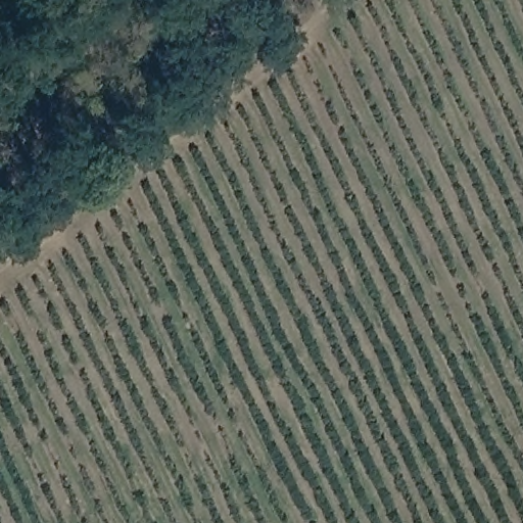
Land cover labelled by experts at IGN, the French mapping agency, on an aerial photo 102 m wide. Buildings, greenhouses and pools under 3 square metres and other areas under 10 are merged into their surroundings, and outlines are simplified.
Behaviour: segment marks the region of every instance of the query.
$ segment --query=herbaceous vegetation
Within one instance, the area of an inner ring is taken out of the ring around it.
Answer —
[[[231,22],[227,18],[208,18],[206,29],[202,33],[202,43],[206,47],[235,43],[237,37],[231,33]]]
[[[462,8],[470,16],[476,39],[496,76],[503,96],[507,98],[523,133],[523,104],[519,102],[513,86],[509,84],[507,69],[488,39],[484,22],[474,6],[474,0],[460,0]]]
[[[402,523],[413,523],[407,503],[394,484],[394,478],[382,458],[378,443],[370,433],[370,427],[353,392],[349,390],[349,382],[331,351],[327,335],[319,325],[311,302],[300,290],[298,280],[292,274],[292,268],[286,262],[270,229],[264,208],[257,202],[253,186],[249,182],[249,174],[241,165],[235,145],[229,139],[225,127],[231,127],[233,133],[237,133],[237,137],[241,139],[255,168],[270,208],[276,217],[276,223],[282,231],[282,237],[292,249],[306,278],[306,284],[321,300],[321,306],[335,331],[337,343],[345,360],[349,362],[362,386],[362,392],[368,398],[380,433],[384,435],[396,460],[396,466],[402,474],[402,480],[407,482],[407,488],[417,505],[423,523],[433,523],[425,507],[425,501],[421,498],[421,492],[405,464],[398,443],[394,441],[382,417],[374,392],[368,386],[366,376],[347,345],[347,339],[341,331],[335,313],[331,311],[331,304],[321,288],[321,282],[313,266],[308,264],[302,245],[294,235],[292,225],[284,215],[284,206],[278,198],[272,178],[264,170],[264,163],[247,133],[247,127],[237,112],[243,106],[251,116],[253,129],[264,143],[268,159],[286,190],[290,206],[298,217],[319,257],[319,264],[327,274],[329,284],[335,290],[337,302],[341,304],[360,341],[360,347],[374,370],[378,386],[388,400],[388,407],[411,447],[419,472],[425,484],[429,486],[439,509],[439,515],[445,523],[456,523],[451,511],[445,505],[439,484],[435,482],[427,462],[421,456],[421,449],[409,429],[407,417],[392,392],[392,386],[386,374],[382,372],[380,360],[360,319],[355,317],[351,304],[345,298],[343,286],[325,251],[315,221],[304,208],[300,192],[288,176],[278,145],[272,141],[268,127],[253,102],[253,98],[259,96],[266,102],[274,127],[286,145],[292,165],[298,170],[308,190],[313,206],[319,208],[325,229],[351,282],[353,294],[366,311],[370,323],[374,325],[374,331],[392,362],[400,388],[423,429],[429,447],[435,451],[447,486],[456,496],[458,507],[468,523],[476,523],[447,464],[447,456],[435,431],[431,429],[429,419],[421,409],[421,402],[415,390],[411,388],[411,380],[394,351],[394,345],[386,335],[382,321],[360,280],[360,274],[349,257],[347,245],[343,243],[337,227],[333,225],[327,212],[327,206],[315,186],[304,153],[296,137],[290,133],[288,123],[284,121],[282,110],[270,90],[276,84],[280,84],[298,127],[311,143],[311,149],[317,157],[317,163],[333,196],[333,202],[364,257],[364,264],[380,292],[382,304],[388,311],[392,325],[396,327],[400,339],[407,345],[417,376],[425,386],[425,392],[433,409],[437,411],[443,429],[451,437],[458,462],[488,523],[501,523],[488,501],[486,490],[474,474],[474,466],[435,392],[423,358],[409,333],[407,321],[388,290],[388,284],[380,274],[380,268],[360,231],[360,225],[349,204],[345,202],[343,190],[331,170],[331,163],[321,147],[321,141],[315,135],[306,114],[302,112],[286,74],[282,74],[276,82],[276,78],[268,76],[266,65],[255,63],[245,74],[243,88],[231,94],[229,106],[223,104],[223,114],[215,116],[215,123],[210,121],[204,127],[188,127],[182,135],[172,135],[170,143],[163,149],[163,155],[159,155],[157,161],[135,163],[135,172],[127,182],[125,190],[104,198],[96,212],[76,210],[63,231],[55,231],[53,235],[41,241],[35,259],[27,264],[14,264],[12,257],[6,257],[4,262],[0,259],[0,523],[235,523],[225,503],[221,484],[229,486],[233,503],[237,505],[245,523],[257,523],[255,515],[247,509],[245,496],[239,488],[239,480],[229,466],[229,456],[235,456],[237,464],[245,472],[251,494],[257,501],[266,523],[306,523],[298,507],[294,505],[286,484],[280,480],[276,466],[262,443],[262,435],[249,413],[249,407],[231,382],[227,364],[217,353],[212,333],[208,331],[204,317],[200,315],[192,294],[186,288],[184,276],[176,266],[161,225],[157,223],[157,217],[153,215],[149,200],[141,188],[143,178],[149,180],[178,239],[178,245],[182,247],[186,262],[190,264],[196,282],[200,284],[202,294],[208,300],[208,306],[219,323],[227,347],[317,523],[327,523],[321,507],[315,501],[313,488],[300,474],[300,468],[296,466],[292,451],[286,445],[286,439],[280,433],[257,388],[257,382],[243,360],[243,353],[229,327],[229,321],[190,243],[182,233],[182,227],[170,204],[168,192],[163,190],[155,174],[161,168],[165,170],[182,208],[188,212],[190,225],[196,231],[202,249],[233,304],[239,325],[247,335],[249,347],[253,351],[257,366],[264,372],[272,398],[278,405],[280,415],[292,429],[302,456],[308,460],[313,472],[317,474],[337,523],[347,523],[339,507],[339,498],[333,492],[319,464],[319,458],[315,456],[311,441],[304,435],[302,423],[296,417],[294,407],[284,388],[280,386],[272,362],[259,343],[259,337],[245,313],[239,292],[235,290],[227,270],[221,264],[210,233],[192,196],[184,188],[182,178],[174,168],[176,153],[182,157],[186,172],[200,200],[204,202],[206,212],[212,217],[219,235],[225,247],[229,249],[229,255],[266,329],[268,341],[280,355],[288,382],[298,390],[304,402],[304,411],[313,419],[315,431],[319,433],[321,443],[327,449],[331,466],[360,523],[372,523],[353,494],[349,478],[341,466],[339,454],[333,447],[329,433],[325,431],[323,419],[317,407],[313,405],[308,390],[292,370],[286,351],[282,349],[272,331],[266,311],[262,308],[257,292],[241,262],[237,245],[233,243],[227,231],[227,225],[208,192],[206,182],[200,178],[198,168],[192,161],[188,149],[190,143],[198,145],[198,151],[202,153],[208,172],[219,186],[219,192],[235,221],[235,227],[241,239],[245,241],[247,253],[253,259],[259,282],[278,313],[280,325],[288,341],[292,343],[298,362],[306,370],[308,378],[315,382],[327,407],[327,413],[331,415],[331,421],[341,437],[341,443],[349,451],[358,478],[376,507],[380,523],[390,523],[382,498],[358,456],[349,429],[341,419],[339,407],[306,351],[300,331],[262,259],[259,247],[247,227],[247,221],[239,208],[233,188],[204,139],[204,131],[215,133],[219,147],[223,149],[229,165],[237,174],[241,190],[247,198],[247,204],[253,210],[266,245],[270,247],[276,266],[282,270],[282,276],[290,286],[290,292],[298,308],[304,313],[308,321],[311,333],[319,343],[323,362],[329,368],[331,376],[335,378],[343,398],[347,400],[353,413],[360,435],[366,447],[370,449],[376,468],[382,474],[382,480],[392,496],[392,503]],[[110,243],[127,270],[133,288],[133,298],[139,300],[139,308],[131,306],[118,272],[110,264],[104,245],[98,239],[98,233],[94,229],[96,221],[102,225],[102,231],[110,237]],[[147,225],[155,241],[155,247],[163,259],[165,272],[170,280],[176,284],[180,296],[178,300],[170,298],[170,290],[165,282],[161,282],[151,251],[147,249],[137,229],[139,223]],[[157,288],[157,302],[153,302],[147,286],[143,284],[139,270],[135,268],[135,262],[123,243],[123,233],[129,233],[149,280]],[[149,384],[143,378],[135,358],[131,355],[125,343],[110,302],[106,300],[104,290],[94,278],[90,262],[86,259],[86,253],[78,243],[78,239],[84,235],[110,282],[112,296],[118,300],[123,317],[129,321],[137,337],[147,368],[155,378],[155,386],[159,388],[159,394],[165,398],[176,419],[176,425],[180,427],[180,433],[184,437],[182,447],[176,445],[176,437],[170,431],[165,419],[161,417],[161,411],[151,396]],[[76,266],[84,274],[86,284],[90,288],[90,296],[96,300],[102,317],[106,319],[106,325],[98,327],[94,323],[84,292],[78,288],[78,282],[72,278],[63,264],[61,249],[67,249],[72,253]],[[74,327],[72,315],[65,308],[65,302],[51,280],[47,259],[55,266],[59,278],[63,280],[63,286],[69,298],[74,300],[82,317],[82,323],[90,333],[94,347],[114,388],[121,394],[121,400],[110,400],[104,382],[96,372],[80,339],[78,329]],[[47,304],[43,302],[31,280],[33,274],[39,276],[59,313],[63,325],[57,329],[51,325]],[[22,284],[31,300],[31,306],[35,308],[33,317],[27,317],[20,306],[20,300],[16,296],[18,284]],[[168,384],[168,378],[157,362],[157,355],[141,329],[141,317],[145,315],[149,317],[157,341],[163,347],[168,366],[174,370],[186,398],[190,400],[192,411],[198,417],[192,423],[188,421],[188,415],[184,413],[176,392]],[[178,362],[172,339],[163,327],[163,315],[170,315],[172,323],[176,325],[184,351],[196,368],[198,380],[202,382],[217,411],[215,419],[206,415],[204,405],[200,402],[198,394],[190,384],[190,378]],[[227,402],[221,402],[215,384],[208,378],[204,364],[192,343],[190,329],[198,331],[200,341],[212,362],[212,368],[217,370],[221,384],[227,392]],[[104,333],[110,333],[118,349],[118,355],[139,390],[133,396],[129,394],[125,382],[116,374],[112,358],[104,345]],[[67,351],[65,351],[65,347],[63,347],[63,343],[61,343],[61,335],[69,335],[69,339],[72,339],[72,345],[74,345],[74,349],[76,349],[76,353],[78,353],[78,362],[76,362],[76,364],[74,364],[74,362],[69,362],[69,355],[67,355]]]
[[[92,131],[94,145],[106,145],[116,155],[125,153],[116,129],[121,127],[121,121],[127,116],[147,118],[153,114],[153,82],[168,84],[168,80],[163,78],[161,61],[170,61],[172,53],[176,51],[176,43],[168,39],[155,39],[151,35],[153,25],[133,12],[127,20],[127,27],[116,33],[114,41],[96,43],[94,53],[86,55],[84,63],[63,69],[63,74],[55,80],[55,92],[51,96],[35,92],[33,100],[29,100],[27,104],[25,114],[18,116],[18,131],[0,129],[0,192],[22,192],[29,182],[33,184],[41,176],[43,157],[49,151],[57,151],[65,137],[78,135],[80,131]]]
[[[462,392],[454,380],[451,368],[441,347],[433,339],[429,323],[425,321],[423,311],[419,308],[411,292],[409,280],[394,257],[394,251],[376,215],[384,210],[392,227],[392,233],[396,235],[407,255],[407,262],[411,264],[425,292],[425,300],[433,313],[433,319],[445,335],[468,386],[474,392],[476,405],[480,407],[490,437],[503,451],[515,476],[519,494],[523,498],[523,470],[519,468],[503,435],[498,433],[490,407],[482,396],[482,390],[474,380],[466,360],[462,358],[462,351],[470,351],[474,355],[474,362],[490,390],[490,396],[496,402],[496,409],[501,411],[501,417],[509,433],[513,435],[517,447],[523,451],[523,429],[509,396],[505,394],[498,382],[490,358],[486,355],[480,343],[476,327],[470,321],[470,315],[480,315],[490,335],[490,341],[496,349],[496,355],[505,368],[505,374],[509,382],[515,386],[523,407],[523,382],[515,372],[513,360],[509,360],[501,343],[492,319],[484,306],[484,298],[492,298],[511,341],[515,343],[519,358],[523,360],[523,337],[519,325],[515,323],[509,311],[505,292],[511,292],[523,317],[523,294],[519,280],[509,264],[507,251],[503,249],[503,243],[494,233],[488,217],[484,215],[472,180],[456,153],[454,139],[462,141],[466,155],[474,163],[484,184],[486,196],[498,215],[501,227],[507,231],[511,239],[517,264],[523,272],[523,241],[496,188],[496,182],[484,165],[480,151],[486,147],[490,149],[494,163],[498,165],[523,219],[523,196],[519,192],[517,182],[513,180],[509,165],[505,163],[503,151],[494,137],[505,135],[509,151],[517,161],[519,174],[523,178],[523,153],[503,112],[503,106],[494,96],[494,90],[470,45],[466,27],[460,14],[456,12],[451,0],[270,0],[272,6],[282,4],[284,10],[290,10],[298,16],[300,25],[296,31],[304,33],[306,41],[292,63],[296,80],[302,92],[306,94],[306,100],[317,116],[317,123],[325,131],[343,168],[349,188],[358,198],[364,219],[384,259],[396,276],[400,294],[405,296],[409,311],[415,319],[415,325],[423,335],[423,341],[439,370],[439,376],[449,392],[458,417],[462,419],[466,433],[474,441],[480,462],[484,464],[490,480],[496,486],[496,492],[511,523],[521,523],[521,517],[509,496],[507,484],[501,472],[496,470],[492,458],[488,456],[484,441],[478,435],[470,409],[466,407]],[[423,153],[429,170],[435,174],[435,180],[449,204],[458,229],[468,243],[468,249],[476,264],[474,268],[466,266],[462,251],[443,219],[441,206],[429,190],[427,178],[421,172],[413,151],[409,149],[407,137],[413,137],[417,141],[417,147]],[[464,210],[458,204],[458,196],[449,184],[449,176],[437,155],[437,149],[441,147],[449,163],[456,168],[458,182],[466,192],[476,223],[494,253],[494,257],[490,259],[484,257],[480,243],[474,231],[470,229]],[[447,241],[447,247],[456,262],[454,276],[449,274],[437,249],[437,243],[427,231],[419,208],[411,200],[411,192],[407,188],[409,180],[417,182],[421,196],[433,212],[437,229],[443,233]]]
[[[16,16],[18,0],[0,0],[0,27]]]
[[[511,20],[523,39],[523,0],[505,0]]]
[[[517,80],[523,88],[523,61],[511,45],[511,39],[503,27],[501,12],[492,0],[482,0],[494,27],[494,33],[503,43],[517,74]]]

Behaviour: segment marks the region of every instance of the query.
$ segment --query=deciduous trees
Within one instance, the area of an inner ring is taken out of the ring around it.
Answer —
[[[18,284],[16,296],[20,300],[20,306],[27,317],[33,317],[35,308],[31,306],[31,300],[22,284]]]
[[[470,16],[462,8],[460,0],[451,0],[456,12],[460,14],[466,27],[470,45],[494,90],[494,96],[503,106],[503,112],[523,153],[523,133],[507,98],[503,96],[496,76],[476,39]]]
[[[229,486],[221,484],[225,503],[235,523],[245,523],[237,505],[233,503]]]
[[[33,274],[31,280],[43,302],[47,304],[51,325],[57,329],[63,325],[59,313],[39,276]]]
[[[435,174],[429,170],[423,153],[417,147],[417,141],[413,137],[407,137],[409,149],[413,151],[421,172],[427,178],[429,190],[441,206],[443,219],[462,251],[466,266],[474,268],[476,264],[468,249],[468,243],[458,229],[449,204],[435,180]]]
[[[523,407],[515,386],[509,382],[505,374],[505,368],[496,355],[496,349],[490,341],[490,335],[480,315],[470,315],[470,321],[476,327],[480,343],[486,355],[490,358],[498,382],[505,394],[509,396],[523,429]]]
[[[484,165],[496,182],[496,188],[523,241],[523,219],[498,165],[494,163],[490,149],[486,147],[480,151]]]
[[[168,366],[163,347],[157,341],[149,317],[145,315],[141,317],[141,329],[157,355],[157,362],[168,378],[168,384],[176,392],[184,413],[188,415],[188,421],[192,423],[198,417],[192,411],[190,400],[186,398],[174,370]]]
[[[182,135],[188,127],[204,127],[210,121],[215,123],[215,116],[223,114],[223,104],[229,106],[231,94],[243,88],[245,74],[255,63],[266,65],[268,76],[276,78],[276,82],[282,74],[286,74],[302,112],[306,114],[315,135],[321,141],[321,147],[331,163],[331,170],[343,190],[345,202],[349,204],[360,225],[360,231],[380,268],[380,274],[388,284],[388,290],[407,321],[409,333],[423,358],[435,392],[474,466],[474,474],[486,490],[488,501],[501,523],[511,523],[496,492],[496,486],[490,480],[484,464],[480,462],[474,441],[466,433],[462,419],[458,417],[449,392],[439,376],[439,370],[423,341],[423,335],[415,325],[415,319],[409,311],[405,296],[400,294],[396,276],[384,259],[364,219],[358,198],[349,188],[343,168],[325,131],[317,123],[317,116],[306,100],[306,94],[302,92],[296,80],[292,63],[306,41],[304,33],[296,31],[300,25],[298,16],[290,10],[284,10],[282,4],[272,6],[270,0],[18,0],[16,16],[0,27],[0,129],[18,131],[18,116],[25,114],[27,104],[29,100],[33,100],[35,92],[51,96],[55,92],[55,80],[63,74],[63,69],[84,63],[86,55],[94,53],[96,43],[114,41],[116,33],[127,27],[127,20],[133,12],[153,25],[151,35],[155,39],[168,39],[176,43],[176,51],[172,53],[170,61],[161,61],[163,78],[168,80],[168,84],[153,82],[153,114],[147,118],[127,116],[121,121],[121,127],[116,129],[125,153],[116,155],[106,145],[94,145],[92,131],[80,131],[78,135],[65,137],[57,151],[49,151],[43,157],[41,176],[33,184],[29,182],[22,192],[0,192],[0,259],[4,262],[6,257],[12,257],[14,264],[27,264],[35,259],[41,241],[53,235],[55,231],[63,231],[76,210],[96,212],[104,198],[125,190],[127,182],[135,172],[135,163],[157,161],[159,155],[163,155],[163,149],[170,143],[172,135]],[[208,18],[227,18],[231,22],[231,33],[237,37],[235,43],[206,47],[202,43],[202,33],[206,29]]]
[[[74,349],[74,345],[72,345],[72,339],[69,339],[69,335],[61,335],[61,343],[63,343],[63,347],[65,347],[65,351],[67,351],[67,355],[69,355],[69,362],[74,362],[74,364],[76,364],[76,362],[78,362],[78,353],[76,353],[76,349]]]
[[[157,217],[157,223],[161,225],[176,266],[184,276],[186,288],[192,294],[200,315],[204,317],[208,331],[212,333],[217,353],[227,364],[231,382],[249,407],[249,413],[262,435],[262,443],[276,466],[280,480],[286,484],[294,505],[298,507],[306,523],[317,523],[227,347],[219,323],[208,306],[208,300],[202,294],[200,284],[196,282],[190,264],[186,262],[182,247],[178,245],[178,239],[149,180],[143,178],[141,188],[149,200],[153,215]]]
[[[392,227],[384,210],[376,215],[394,251],[394,257],[409,280],[411,292],[419,308],[423,311],[425,321],[429,323],[433,339],[441,347],[451,368],[454,380],[462,392],[466,407],[470,409],[478,435],[484,441],[488,456],[492,458],[496,470],[501,472],[507,484],[509,496],[521,517],[521,523],[523,523],[523,498],[519,494],[515,476],[503,451],[490,437],[480,407],[476,405],[474,392],[468,386],[445,335],[433,319],[433,313],[425,300],[425,292],[411,264],[407,262],[407,255],[396,235],[392,233]]]
[[[272,331],[282,349],[286,351],[292,370],[308,390],[313,405],[317,407],[323,419],[325,431],[329,433],[333,447],[339,454],[341,466],[349,478],[353,494],[372,523],[380,523],[376,507],[358,478],[349,451],[341,443],[341,437],[331,421],[331,415],[327,413],[327,407],[315,382],[308,378],[306,370],[298,362],[292,343],[288,341],[280,325],[278,313],[259,282],[253,259],[247,253],[245,241],[241,239],[235,227],[235,221],[219,192],[219,186],[208,172],[202,153],[198,151],[198,145],[190,143],[188,149],[192,161],[198,168],[200,178],[206,182],[208,192],[227,225],[227,231],[233,243],[237,245],[241,262],[257,292],[262,308],[266,311]]]
[[[137,229],[147,249],[151,251],[161,282],[165,282],[170,290],[170,298],[178,300],[180,296],[176,284],[170,280],[165,272],[163,259],[155,247],[155,241],[147,225],[139,223]]]
[[[276,223],[276,217],[270,208],[255,168],[241,139],[237,137],[237,133],[233,133],[231,127],[225,127],[229,139],[235,145],[241,165],[249,174],[249,182],[253,186],[257,202],[264,208],[270,229],[286,262],[292,268],[292,274],[298,280],[300,290],[311,302],[319,325],[327,335],[331,351],[349,382],[349,390],[353,392],[370,427],[370,433],[378,443],[382,458],[394,478],[394,484],[407,503],[413,523],[423,523],[417,505],[407,488],[407,482],[402,480],[402,474],[396,466],[396,460],[384,435],[380,433],[368,398],[362,392],[362,386],[349,362],[345,360],[337,343],[335,331],[321,306],[321,300],[306,284],[306,278],[292,249],[282,237],[282,231]]]
[[[519,174],[517,161],[509,151],[505,135],[494,137],[503,151],[505,163],[509,165],[513,180],[517,182],[519,192],[523,196],[523,178]]]
[[[106,319],[102,317],[96,300],[90,296],[90,288],[86,284],[84,274],[76,266],[72,253],[67,249],[61,249],[63,264],[72,278],[78,282],[78,288],[84,292],[94,323],[98,327],[106,325]]]
[[[519,102],[523,104],[523,88],[517,80],[517,74],[503,43],[494,33],[494,27],[482,0],[474,0],[474,6],[484,22],[488,39],[507,69],[509,84],[513,86]]]
[[[157,288],[149,280],[129,233],[123,233],[123,243],[135,262],[135,268],[139,270],[143,284],[147,286],[153,302],[157,302]]]
[[[466,155],[462,141],[454,139],[456,153],[472,180],[484,215],[488,217],[494,233],[503,243],[503,249],[507,251],[509,264],[519,280],[523,294],[523,272],[517,264],[511,239],[507,231],[501,227],[498,215],[486,196],[484,184],[474,163]]]
[[[435,431],[447,456],[447,464],[476,523],[488,523],[458,462],[451,437],[443,429],[437,411],[433,409],[425,392],[425,386],[417,376],[407,345],[400,339],[396,327],[392,325],[388,311],[382,304],[380,292],[364,264],[364,257],[333,202],[333,196],[317,163],[317,157],[311,149],[311,143],[298,127],[280,84],[276,84],[270,90],[282,110],[284,121],[288,123],[290,133],[296,137],[304,153],[315,186],[327,206],[327,212],[333,225],[337,227],[343,243],[347,245],[349,257],[360,274],[360,280],[382,321],[386,335],[394,345],[394,351],[411,380],[411,388],[415,390],[421,402],[421,409],[429,419],[431,429]]]
[[[110,243],[110,237],[102,231],[102,225],[96,221],[94,229],[98,233],[98,239],[104,245],[110,264],[118,272],[131,306],[139,308],[139,300],[133,298],[133,288],[127,270]]]
[[[82,317],[74,300],[69,298],[63,286],[63,280],[59,278],[55,266],[47,259],[51,280],[65,302],[65,308],[72,315],[74,327],[78,329],[80,339],[96,372],[104,382],[110,400],[121,400],[121,394],[114,388],[94,347],[90,333],[82,323]]]
[[[204,364],[208,378],[215,384],[221,402],[227,402],[227,392],[221,384],[217,370],[212,368],[212,362],[200,341],[198,331],[190,329],[192,343]]]
[[[523,317],[511,292],[505,292],[509,311],[515,323],[519,325],[523,337]]]
[[[498,433],[503,435],[519,468],[523,470],[523,451],[517,447],[513,435],[509,433],[501,417],[501,411],[496,409],[496,402],[490,396],[490,390],[474,362],[474,355],[470,351],[462,351],[462,358],[466,360],[474,380],[482,390],[482,396],[490,407]]]
[[[523,61],[523,39],[511,20],[505,0],[492,0],[501,12],[503,27],[511,39],[511,45]]]
[[[112,358],[116,374],[125,382],[129,394],[133,396],[139,390],[118,355],[118,349],[110,333],[104,333],[104,345]]]
[[[200,402],[204,405],[206,415],[215,419],[217,411],[202,382],[198,380],[196,368],[184,351],[176,325],[172,323],[170,315],[163,315],[163,327],[172,339],[178,362],[190,378],[190,384],[198,394]]]
[[[86,253],[86,259],[90,262],[94,278],[104,290],[106,300],[110,302],[125,343],[131,355],[135,358],[143,378],[149,384],[151,396],[161,411],[161,417],[165,419],[170,431],[176,437],[176,445],[182,447],[184,437],[180,433],[180,427],[176,425],[176,419],[165,398],[159,394],[159,388],[155,386],[155,378],[147,368],[137,337],[129,321],[123,317],[118,300],[112,296],[110,282],[84,235],[78,239],[78,243]]]
[[[286,190],[268,159],[264,143],[253,129],[251,116],[243,106],[237,112],[247,127],[247,133],[264,163],[264,170],[272,178],[278,198],[284,206],[284,215],[292,225],[294,235],[302,245],[308,264],[313,266],[321,282],[321,288],[331,304],[331,311],[335,313],[341,331],[347,339],[347,345],[366,376],[368,386],[374,392],[382,417],[394,441],[398,443],[405,464],[421,492],[421,498],[425,501],[425,507],[433,523],[445,523],[439,515],[439,509],[429,486],[425,484],[419,472],[411,447],[388,407],[388,400],[378,386],[374,370],[360,347],[360,341],[341,304],[337,302],[335,290],[329,284],[327,274],[319,264],[319,257],[298,217],[290,206]]]
[[[268,127],[272,141],[278,145],[288,176],[300,192],[304,208],[315,221],[325,251],[343,286],[345,298],[351,304],[355,317],[360,319],[380,360],[382,372],[386,374],[392,386],[392,392],[407,417],[409,429],[421,449],[421,456],[427,462],[435,482],[439,484],[445,505],[451,511],[456,523],[468,523],[458,507],[456,496],[447,486],[435,451],[429,447],[423,429],[400,388],[392,362],[374,331],[374,325],[370,323],[366,311],[353,294],[351,282],[325,229],[319,208],[313,206],[308,190],[298,170],[292,165],[286,145],[274,127],[266,102],[259,96],[253,98],[253,102]]]
[[[221,264],[227,270],[235,290],[239,292],[245,313],[259,337],[259,343],[272,362],[280,386],[284,388],[294,407],[296,417],[302,423],[304,435],[311,441],[315,456],[319,458],[319,464],[333,492],[339,498],[339,507],[347,523],[360,523],[331,466],[327,449],[321,443],[319,433],[315,431],[313,419],[304,411],[304,402],[298,390],[288,382],[280,355],[268,341],[266,329],[229,255],[229,249],[225,247],[219,235],[212,217],[206,212],[204,202],[200,200],[186,172],[182,157],[176,153],[174,168],[182,178],[184,188],[192,196],[210,233]]]
[[[466,192],[458,182],[456,168],[449,163],[441,147],[437,149],[437,155],[449,176],[449,184],[458,196],[458,204],[464,210],[470,229],[474,231],[480,243],[484,257],[490,259],[494,257],[494,253],[476,223]]]
[[[280,433],[286,439],[286,445],[292,451],[296,466],[300,468],[300,474],[313,488],[315,501],[321,507],[327,523],[337,523],[317,474],[313,472],[308,460],[302,456],[292,429],[280,415],[278,405],[272,398],[264,372],[257,366],[253,351],[249,347],[247,335],[239,325],[233,304],[202,249],[196,231],[190,225],[188,212],[182,208],[165,170],[161,168],[155,174],[163,190],[168,192],[170,204],[182,227],[182,233],[190,243],[229,321],[229,327],[243,353],[243,360],[257,382],[257,388]]]
[[[454,276],[456,262],[447,247],[447,241],[443,233],[437,229],[433,212],[421,196],[417,182],[409,180],[407,188],[411,192],[411,200],[419,208],[427,231],[437,243],[437,249],[449,274]]]
[[[253,210],[247,204],[247,198],[241,190],[237,174],[229,165],[223,149],[219,147],[215,133],[204,131],[204,139],[233,188],[239,208],[247,221],[247,227],[259,247],[262,259],[300,331],[306,351],[339,407],[341,419],[349,429],[358,456],[382,498],[390,523],[402,523],[392,503],[392,496],[382,480],[382,474],[376,468],[370,449],[366,447],[360,435],[353,413],[347,400],[343,398],[335,378],[331,376],[329,368],[323,362],[319,343],[311,333],[308,321],[304,313],[298,308],[290,292],[290,286],[282,276],[282,270],[276,266],[270,247],[266,245]]]
[[[523,382],[523,360],[519,358],[515,343],[511,341],[492,298],[484,298],[484,306],[492,319],[501,343],[509,360],[513,360],[515,372]]]
[[[235,456],[229,456],[229,466],[239,480],[239,488],[245,496],[247,509],[255,515],[257,523],[266,523],[257,501],[251,494],[245,472],[237,464]]]

